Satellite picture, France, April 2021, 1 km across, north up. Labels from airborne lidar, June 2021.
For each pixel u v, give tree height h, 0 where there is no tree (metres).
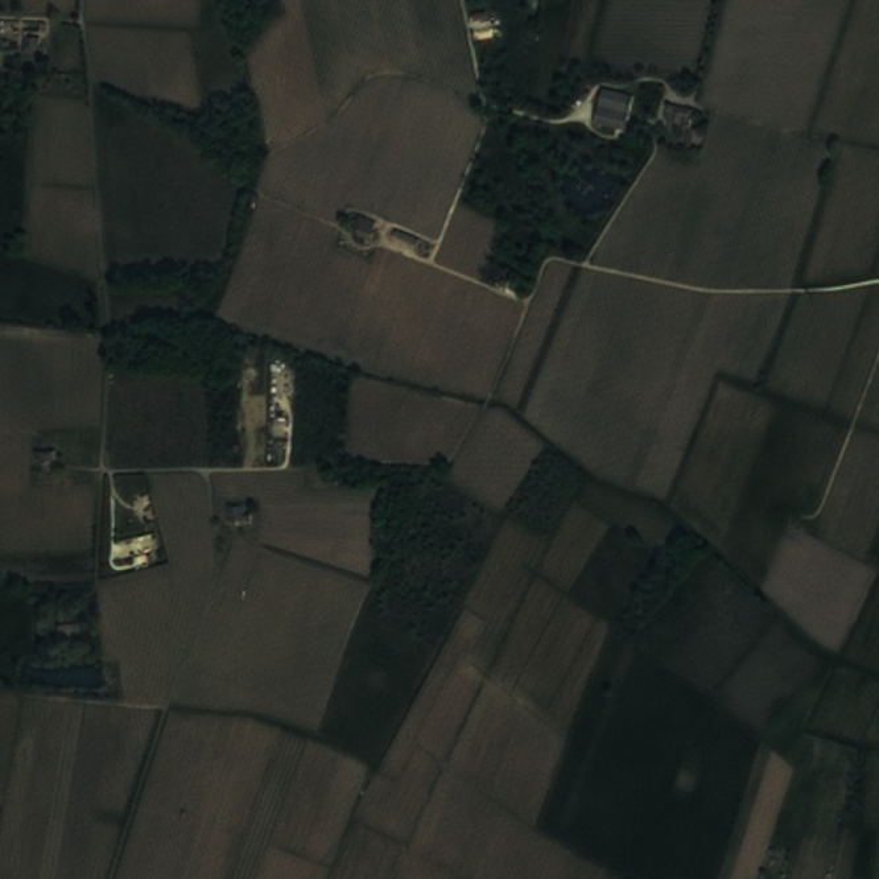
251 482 0
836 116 0
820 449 0
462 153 0
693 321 0
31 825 0
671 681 0
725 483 0
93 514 0
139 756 0
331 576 0
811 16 0
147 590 0
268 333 0
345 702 0
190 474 0
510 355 0
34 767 0
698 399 0
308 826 0
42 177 0
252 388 0
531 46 9
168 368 22
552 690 0
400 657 0
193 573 0
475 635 0
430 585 7
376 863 0
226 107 19
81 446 0
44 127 0
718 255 0
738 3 0
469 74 0
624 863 0
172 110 15
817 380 0
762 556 0
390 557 14
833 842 0
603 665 0
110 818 0
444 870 0
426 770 0
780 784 0
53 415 0
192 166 0
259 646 0
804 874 0
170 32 0
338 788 0
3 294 0
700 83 9
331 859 0
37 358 0
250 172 17
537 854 0
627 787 0
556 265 0
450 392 0
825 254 0
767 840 0
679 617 0
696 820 0
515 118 13
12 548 0
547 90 0
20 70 7
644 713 0
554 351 0
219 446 10
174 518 0
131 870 0
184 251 0
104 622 13
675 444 0
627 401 0
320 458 12
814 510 0
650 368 0
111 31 0
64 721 0
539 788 0
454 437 0
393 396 0
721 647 0
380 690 0
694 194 0
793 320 0
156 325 20
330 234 0
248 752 0
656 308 0
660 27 0
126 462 0
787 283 0
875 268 0
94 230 0
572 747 0
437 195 0
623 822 0
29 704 0
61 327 6
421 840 0
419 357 0
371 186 0
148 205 0
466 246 0
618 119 0
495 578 0
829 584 0
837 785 0
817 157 0
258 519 0
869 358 0
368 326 0
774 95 0
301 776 0
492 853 0
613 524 0
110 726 0
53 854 0
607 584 0
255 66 0
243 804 0
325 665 0
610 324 0
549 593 0
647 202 0
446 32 0
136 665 0
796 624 0
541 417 0
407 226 0
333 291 0
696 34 0
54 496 0
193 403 0
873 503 0
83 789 0
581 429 0
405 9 0
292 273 0
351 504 0
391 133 0
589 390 0
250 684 0
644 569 0
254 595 0
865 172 0
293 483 0
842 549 0
